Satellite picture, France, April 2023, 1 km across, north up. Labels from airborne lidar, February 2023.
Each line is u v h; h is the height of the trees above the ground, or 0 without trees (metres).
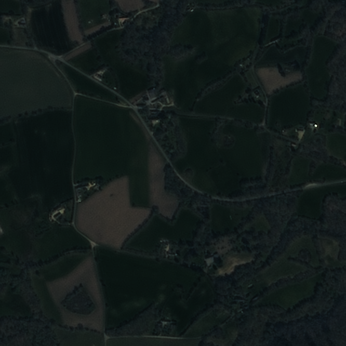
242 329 22
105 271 0
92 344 0
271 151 8
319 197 0
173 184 17
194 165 0
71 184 0
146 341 0
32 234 0
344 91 18
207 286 0
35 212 0
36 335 13
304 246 0
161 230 0
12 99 0
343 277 17
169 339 0
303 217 7
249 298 0
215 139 6
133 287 0
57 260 13
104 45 0
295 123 0
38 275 15
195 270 20
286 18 10
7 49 0
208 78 0
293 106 0
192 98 0
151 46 23
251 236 13
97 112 0
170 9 22
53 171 0
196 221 0
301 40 7
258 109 0
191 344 0
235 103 12
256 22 0
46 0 13
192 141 0
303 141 0
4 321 16
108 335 16
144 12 0
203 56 11
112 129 0
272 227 18
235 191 0
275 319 16
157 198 0
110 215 0
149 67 15
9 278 8
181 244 15
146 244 0
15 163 0
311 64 0
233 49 0
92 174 0
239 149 0
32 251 0
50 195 0
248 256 0
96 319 0
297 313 19
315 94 0
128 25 16
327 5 17
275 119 0
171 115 12
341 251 9
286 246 21
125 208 0
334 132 8
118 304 0
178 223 0
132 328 16
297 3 13
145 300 0
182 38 0
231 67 0
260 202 18
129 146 0
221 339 8
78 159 0
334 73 12
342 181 0
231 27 0
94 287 0
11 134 0
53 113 0
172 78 0
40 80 0
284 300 0
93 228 0
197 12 0
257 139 0
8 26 14
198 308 0
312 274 15
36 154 0
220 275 0
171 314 0
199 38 0
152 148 0
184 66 0
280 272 0
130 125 0
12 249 0
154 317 13
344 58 11
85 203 0
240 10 0
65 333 0
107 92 0
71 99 0
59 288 0
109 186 0
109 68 6
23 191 0
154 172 0
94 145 0
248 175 0
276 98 0
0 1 0
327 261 0
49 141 0
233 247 8
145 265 0
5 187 0
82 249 9
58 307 0
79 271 0
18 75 0
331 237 18
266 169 0
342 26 10
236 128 0
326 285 22
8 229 0
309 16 0
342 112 10
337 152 0
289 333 19
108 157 0
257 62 0
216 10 9
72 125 0
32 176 0
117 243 0
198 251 14
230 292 16
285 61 0
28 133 0
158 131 15
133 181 0
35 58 0
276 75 0
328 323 24
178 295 0
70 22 0
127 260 0
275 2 0
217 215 0
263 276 0
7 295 0
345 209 8
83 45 0
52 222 8
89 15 0
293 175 0
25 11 14
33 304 15
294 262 12
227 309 14
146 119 7
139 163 0
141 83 0
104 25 0
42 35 0
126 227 0
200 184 0
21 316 0
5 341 20
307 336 21
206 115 0
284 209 25
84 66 0
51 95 0
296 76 0
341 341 22
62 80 0
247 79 9
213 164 0
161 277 0
